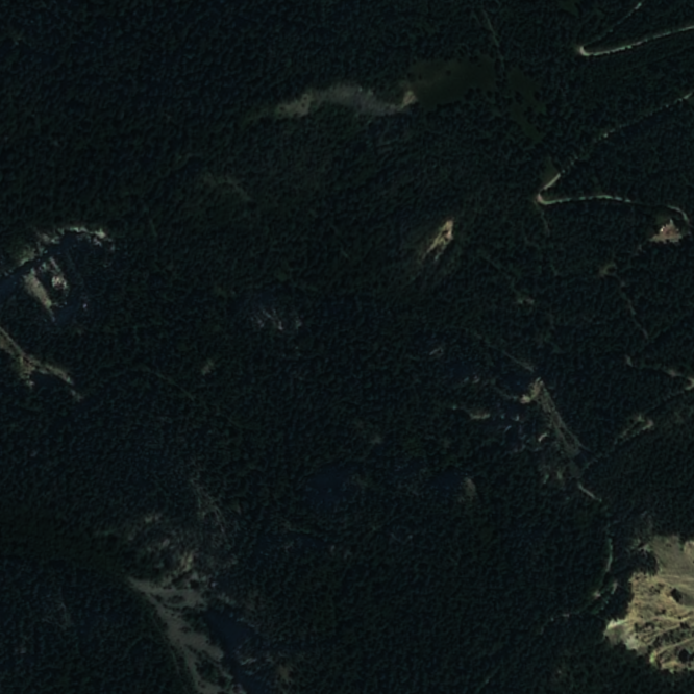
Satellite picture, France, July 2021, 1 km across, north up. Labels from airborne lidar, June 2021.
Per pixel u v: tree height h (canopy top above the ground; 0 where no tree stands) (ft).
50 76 102
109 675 51
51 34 132
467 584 50
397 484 57
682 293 108
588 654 31
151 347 33
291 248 34
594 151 36
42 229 34
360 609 67
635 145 105
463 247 25
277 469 69
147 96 23
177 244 65
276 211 27
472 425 45
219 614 23
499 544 71
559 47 37
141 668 73
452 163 35
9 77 85
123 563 43
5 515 80
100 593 84
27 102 77
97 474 66
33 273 0
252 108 56
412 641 74
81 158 65
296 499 31
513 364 51
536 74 66
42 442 30
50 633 38
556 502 59
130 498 33
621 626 0
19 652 29
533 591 36
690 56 36
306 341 45
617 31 50
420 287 62
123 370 77
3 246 35
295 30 81
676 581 0
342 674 40
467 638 51
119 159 32
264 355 90
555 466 26
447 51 59
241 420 21
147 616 21
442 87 0
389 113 0
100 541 20
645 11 24
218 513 27
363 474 92
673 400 49
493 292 46
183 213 62
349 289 81
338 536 79
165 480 53
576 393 50
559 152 35
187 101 116
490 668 55
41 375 0
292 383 79
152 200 75
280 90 33
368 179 34
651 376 88
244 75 97
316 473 23
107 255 37
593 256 47
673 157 97
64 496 51
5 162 107
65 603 26
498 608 56
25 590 85
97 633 40
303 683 53
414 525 40
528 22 47
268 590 41
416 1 76
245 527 62
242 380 31
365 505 47
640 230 67
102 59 112
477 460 73
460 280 75
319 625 36
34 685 33
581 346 76
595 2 87
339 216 94
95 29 51
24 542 38
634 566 23
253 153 79
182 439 29
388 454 47
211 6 39
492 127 90
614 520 22
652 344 30
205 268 22
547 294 72
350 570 33
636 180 106
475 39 64
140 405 40
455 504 55
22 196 59
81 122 74
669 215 34
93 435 68
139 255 37
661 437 44
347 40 20
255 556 37
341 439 48
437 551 64
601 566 63
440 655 58
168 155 90
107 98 123
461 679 25
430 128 32
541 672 62
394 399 53
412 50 65
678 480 61
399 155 64
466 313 56
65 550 21
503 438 54
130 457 42
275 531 83
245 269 72
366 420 53
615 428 63
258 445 50
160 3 84
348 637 48
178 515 53
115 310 51
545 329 67
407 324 40
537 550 31
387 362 55
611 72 30
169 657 19
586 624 85
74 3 53
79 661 66
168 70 141
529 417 41
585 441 28
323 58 52
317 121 40
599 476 65
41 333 38
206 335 35
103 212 66
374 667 70
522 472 47
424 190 60
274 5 115
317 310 47
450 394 45
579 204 34
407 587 59
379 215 93
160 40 100
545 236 58
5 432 91
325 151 43
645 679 49
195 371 44
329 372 70
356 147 27
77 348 81
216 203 33
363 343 71
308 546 41
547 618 62
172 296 104
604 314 50
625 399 32
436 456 63
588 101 37
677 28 36
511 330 52
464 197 29
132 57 131
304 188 39
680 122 99
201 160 34
